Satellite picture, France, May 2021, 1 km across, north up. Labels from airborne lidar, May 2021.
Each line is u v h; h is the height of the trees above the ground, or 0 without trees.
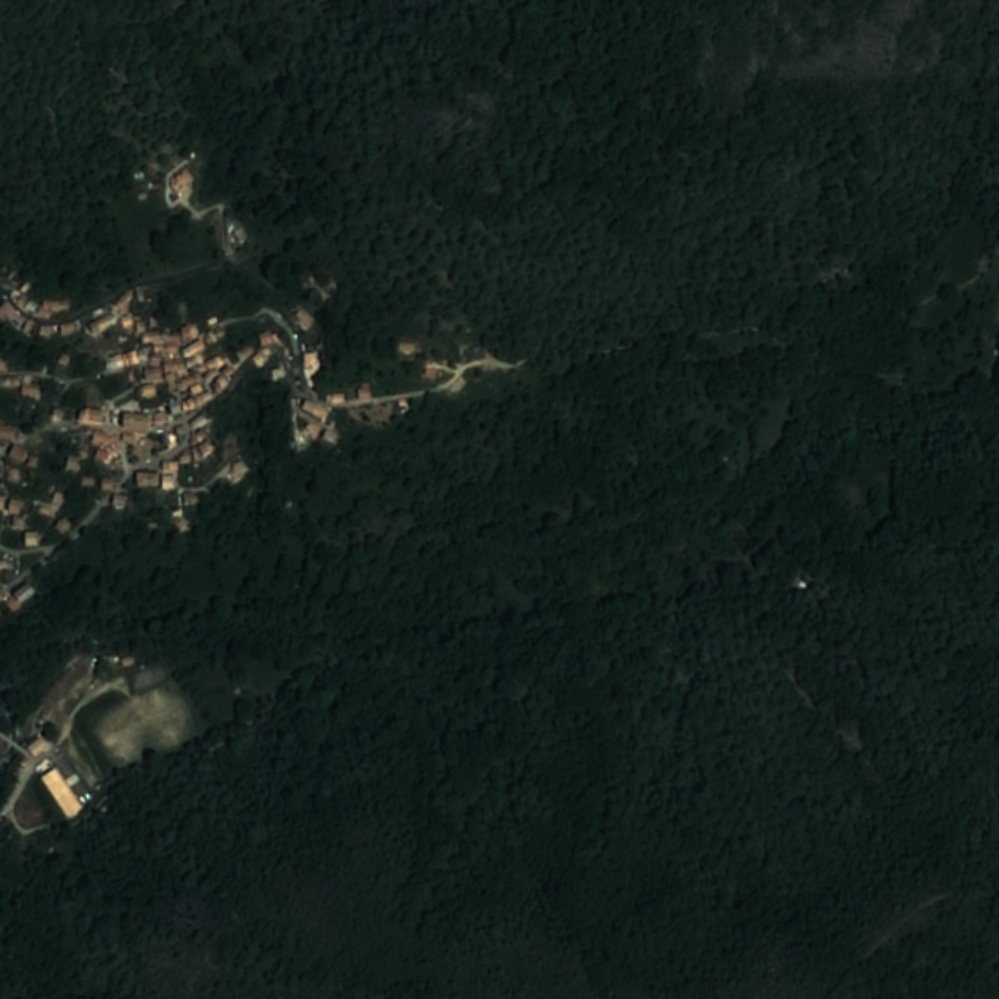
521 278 13
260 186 23
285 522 17
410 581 21
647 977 13
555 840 13
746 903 16
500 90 14
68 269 10
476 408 9
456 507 12
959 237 0
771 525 22
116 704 0
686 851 22
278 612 19
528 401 15
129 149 14
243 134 25
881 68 7
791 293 14
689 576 13
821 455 18
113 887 10
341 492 9
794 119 9
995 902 13
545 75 22
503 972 9
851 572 13
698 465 11
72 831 8
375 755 6
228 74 17
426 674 13
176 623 22
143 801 8
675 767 20
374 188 12
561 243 14
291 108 8
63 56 9
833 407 23
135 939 8
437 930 13
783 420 0
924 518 19
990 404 23
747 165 17
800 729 19
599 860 17
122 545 15
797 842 25
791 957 7
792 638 13
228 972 6
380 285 20
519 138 21
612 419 20
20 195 12
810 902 16
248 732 18
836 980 6
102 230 18
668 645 9
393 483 8
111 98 12
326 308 8
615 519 27
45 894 9
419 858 9
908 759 12
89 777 0
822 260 12
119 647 18
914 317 18
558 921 9
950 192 14
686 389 14
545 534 20
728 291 13
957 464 7
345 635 22
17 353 17
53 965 21
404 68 14
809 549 24
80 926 9
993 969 13
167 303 10
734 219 24
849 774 12
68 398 6
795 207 11
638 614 16
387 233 19
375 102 10
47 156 8
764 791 26
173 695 0
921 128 8
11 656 25
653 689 18
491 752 26
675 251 25
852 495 0
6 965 20
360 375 7
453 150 14
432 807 13
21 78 14
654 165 20
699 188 21
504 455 17
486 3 18
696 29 15
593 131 23
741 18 13
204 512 14
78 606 29
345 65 7
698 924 21
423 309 16
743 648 15
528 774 13
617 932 16
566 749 14
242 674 17
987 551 13
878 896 10
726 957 13
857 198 22
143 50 19
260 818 7
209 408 6
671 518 25
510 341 14
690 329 14
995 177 15
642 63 20
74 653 13
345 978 7
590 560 23
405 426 10
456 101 10
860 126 22
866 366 17
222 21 18
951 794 15
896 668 22
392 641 16
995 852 17
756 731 16
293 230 12
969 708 19
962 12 11
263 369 7
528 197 22
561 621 15
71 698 0
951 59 20
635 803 21
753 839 23
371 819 8
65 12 10
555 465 17
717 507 22
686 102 21
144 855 10
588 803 16
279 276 27
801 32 7
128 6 21
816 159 24
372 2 17
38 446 0
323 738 7
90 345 0
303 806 7
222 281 8
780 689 16
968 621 18
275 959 7
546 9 24
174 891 7
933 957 6
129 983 8
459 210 7
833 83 7
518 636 18
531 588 14
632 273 15
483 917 7
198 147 0
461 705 15
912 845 6
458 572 7
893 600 13
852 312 23
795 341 12
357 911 6
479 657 14
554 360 16
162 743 0
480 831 19
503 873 13
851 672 16
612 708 16
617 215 12
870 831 7
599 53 24
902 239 17
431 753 7
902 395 20
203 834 6
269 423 23
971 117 23
